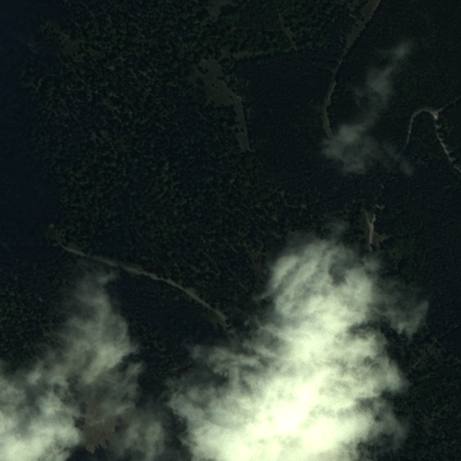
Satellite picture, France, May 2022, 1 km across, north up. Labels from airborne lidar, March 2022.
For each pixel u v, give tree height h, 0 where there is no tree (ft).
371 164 84
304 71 66
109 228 92
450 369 23
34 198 111
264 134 62
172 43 40
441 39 55
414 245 59
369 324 89
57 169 112
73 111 103
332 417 85
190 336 99
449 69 45
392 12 51
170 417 55
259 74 60
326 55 48
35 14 116
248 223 29
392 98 49
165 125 97
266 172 61
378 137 49
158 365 53
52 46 28
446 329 97
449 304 76
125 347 34
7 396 52
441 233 76
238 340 28
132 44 114
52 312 89
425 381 26
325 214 68
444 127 69
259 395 56
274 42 30
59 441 93
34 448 95
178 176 96
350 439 47
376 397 52
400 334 25
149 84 88
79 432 88
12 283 109
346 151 65
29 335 100
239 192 47
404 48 41
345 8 23
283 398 94
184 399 96
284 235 87
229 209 99
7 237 98
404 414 87
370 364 94
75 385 91
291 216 54
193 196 114
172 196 104
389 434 110
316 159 53
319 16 38
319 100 44
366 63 47
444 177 83
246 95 57
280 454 109
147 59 97
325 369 77
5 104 102
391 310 33
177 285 47
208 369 33
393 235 56
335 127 45
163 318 24
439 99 44
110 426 0
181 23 68
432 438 17
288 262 25
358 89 45
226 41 51
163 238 26
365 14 0
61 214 121
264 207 21
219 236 119
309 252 31
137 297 95
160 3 111
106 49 98
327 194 94
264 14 36
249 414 104
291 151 54
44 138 101
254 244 98
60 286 92
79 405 76
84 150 100
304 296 47
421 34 51
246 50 47
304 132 44
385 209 77
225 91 0
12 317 107
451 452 20
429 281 71
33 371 80
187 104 97
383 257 26
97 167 115
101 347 24
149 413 82
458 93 45
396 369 97
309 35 57
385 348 67
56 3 116
